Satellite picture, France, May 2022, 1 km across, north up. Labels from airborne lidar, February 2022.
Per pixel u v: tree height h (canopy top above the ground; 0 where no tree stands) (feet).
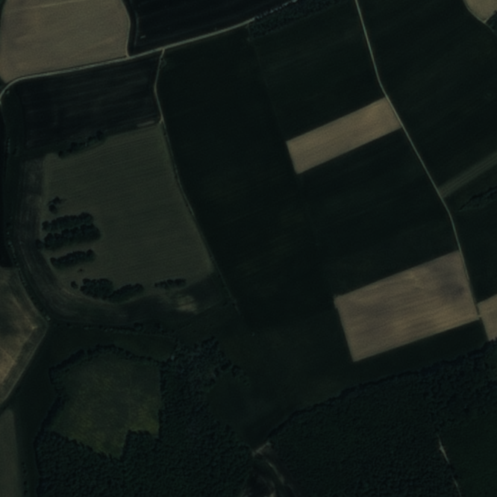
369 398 42
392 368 0
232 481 75
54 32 0
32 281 0
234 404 0
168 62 0
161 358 0
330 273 0
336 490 51
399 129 0
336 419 40
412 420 50
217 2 0
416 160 0
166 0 0
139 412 0
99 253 0
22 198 0
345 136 0
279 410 0
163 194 0
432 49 0
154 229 0
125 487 53
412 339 0
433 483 77
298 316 0
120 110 0
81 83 0
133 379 0
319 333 0
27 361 0
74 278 0
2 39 0
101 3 0
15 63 0
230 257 0
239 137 0
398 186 0
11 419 0
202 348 26
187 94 0
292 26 0
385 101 0
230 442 67
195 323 0
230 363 43
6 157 28
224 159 0
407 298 0
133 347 0
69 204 0
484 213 0
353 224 0
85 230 54
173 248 0
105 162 0
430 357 0
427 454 50
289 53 0
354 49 0
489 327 0
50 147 0
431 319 0
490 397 90
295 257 0
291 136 0
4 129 0
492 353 55
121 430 0
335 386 0
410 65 0
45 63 0
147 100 0
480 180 0
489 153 0
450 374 89
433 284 0
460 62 0
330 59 0
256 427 0
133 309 0
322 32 0
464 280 0
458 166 0
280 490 0
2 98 0
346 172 0
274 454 0
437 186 0
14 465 0
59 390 58
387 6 0
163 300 0
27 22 0
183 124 0
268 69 0
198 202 0
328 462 45
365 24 0
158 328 48
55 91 0
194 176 0
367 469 54
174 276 0
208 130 0
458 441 28
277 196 0
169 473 70
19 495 0
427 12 0
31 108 0
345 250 0
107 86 0
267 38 0
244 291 0
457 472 30
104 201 0
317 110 0
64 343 0
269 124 0
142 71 0
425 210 0
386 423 48
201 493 71
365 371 0
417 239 0
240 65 0
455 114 0
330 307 0
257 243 0
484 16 0
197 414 62
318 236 0
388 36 0
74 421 0
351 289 0
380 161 0
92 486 80
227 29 0
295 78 0
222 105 0
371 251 0
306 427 52
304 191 0
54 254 0
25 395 0
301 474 41
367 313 0
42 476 48
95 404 0
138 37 0
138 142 0
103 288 51
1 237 0
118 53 0
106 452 0
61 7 0
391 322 0
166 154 0
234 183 0
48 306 0
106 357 0
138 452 32
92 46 0
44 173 0
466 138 0
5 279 0
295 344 0
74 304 0
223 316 0
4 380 0
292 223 0
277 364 0
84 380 0
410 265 0
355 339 0
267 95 0
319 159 0
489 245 0
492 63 0
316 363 0
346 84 0
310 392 0
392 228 0
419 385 70
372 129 0
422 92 0
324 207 0
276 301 0
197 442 62
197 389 33
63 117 0
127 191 0
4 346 0
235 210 0
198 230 0
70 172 0
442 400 91
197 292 0
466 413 87
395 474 64
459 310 0
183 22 0
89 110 0
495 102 0
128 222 0
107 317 0
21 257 0
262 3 0
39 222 0
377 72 0
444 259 0
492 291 0
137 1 0
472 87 0
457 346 0
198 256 0
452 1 0
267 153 0
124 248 0
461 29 0
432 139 0
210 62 0
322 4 51
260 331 0
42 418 0
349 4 0
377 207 0
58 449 82
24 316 0
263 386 0
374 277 0
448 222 0
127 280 0
